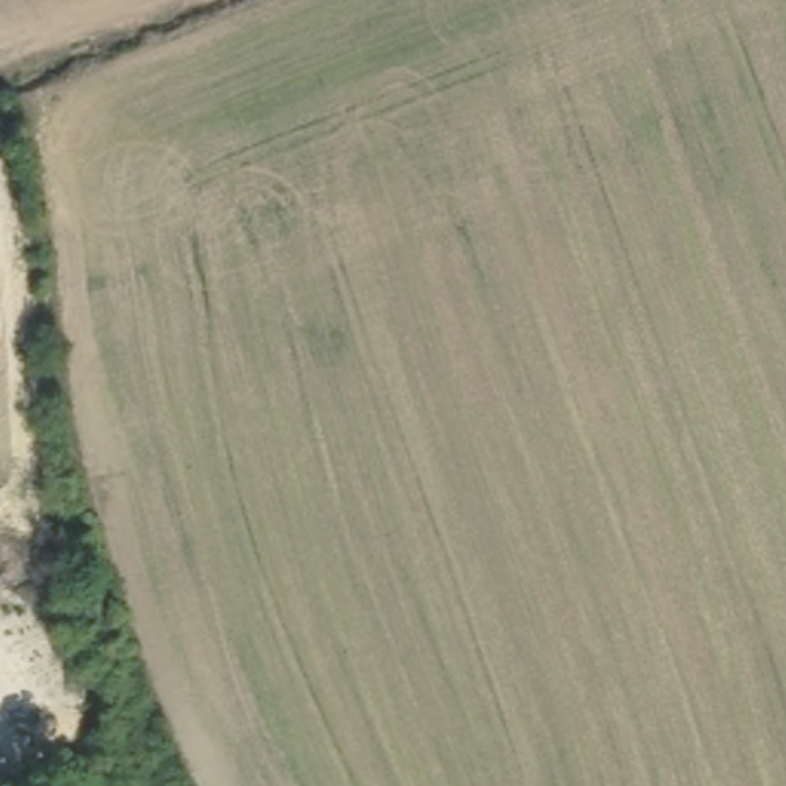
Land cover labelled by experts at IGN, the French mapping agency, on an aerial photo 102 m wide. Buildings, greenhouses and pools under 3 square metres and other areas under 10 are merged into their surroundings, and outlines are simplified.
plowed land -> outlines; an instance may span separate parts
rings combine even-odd
[[[104,34],[132,31],[138,25],[166,18],[172,12],[209,0],[0,0],[0,77],[18,58],[28,58],[34,52],[64,49],[74,40],[101,40]]]

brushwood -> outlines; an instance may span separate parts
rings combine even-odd
[[[18,58],[0,77],[0,163],[6,172],[12,209],[21,224],[15,246],[21,249],[28,267],[25,307],[49,304],[58,313],[55,249],[49,206],[43,193],[43,163],[34,141],[34,123],[28,123],[21,107],[21,95],[64,80],[71,71],[107,64],[126,52],[141,49],[154,37],[169,37],[193,21],[212,18],[249,0],[209,0],[172,12],[166,18],[138,25],[132,31],[104,34],[101,40],[74,40],[64,49],[34,52],[28,58]]]

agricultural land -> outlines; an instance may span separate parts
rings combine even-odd
[[[43,163],[43,193],[49,206],[55,249],[58,313],[61,332],[71,341],[68,393],[74,405],[83,467],[89,476],[89,500],[104,528],[104,553],[123,577],[123,596],[132,611],[132,629],[141,642],[141,657],[150,685],[197,786],[786,786],[786,0],[249,0],[212,18],[193,21],[169,37],[154,37],[141,49],[126,52],[107,64],[71,71],[64,80],[21,95],[21,107],[28,123],[34,123],[34,141]]]

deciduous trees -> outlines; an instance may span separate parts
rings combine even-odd
[[[31,525],[28,534],[28,562],[18,580],[18,593],[34,596],[34,617],[46,629],[52,654],[64,669],[64,688],[83,697],[83,712],[74,737],[52,740],[49,749],[43,749],[31,768],[18,765],[15,771],[0,777],[0,786],[197,786],[150,685],[141,657],[141,642],[132,629],[132,611],[123,596],[123,577],[104,553],[104,528],[89,500],[89,476],[83,467],[74,405],[68,393],[71,341],[61,332],[58,313],[49,304],[25,307],[15,329],[15,353],[21,359],[25,384],[25,399],[18,399],[18,411],[34,442],[31,479],[40,500],[40,516]]]

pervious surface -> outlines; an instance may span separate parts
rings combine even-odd
[[[21,359],[15,353],[15,329],[25,307],[28,267],[21,249],[15,246],[21,224],[12,209],[6,172],[0,163],[0,488],[9,497],[21,497],[21,507],[28,510],[25,519],[31,525],[40,516],[40,500],[31,479],[34,442],[18,411],[18,399],[25,399],[25,384]]]
[[[34,617],[34,596],[18,593],[18,580],[28,562],[28,534],[0,525],[0,777],[15,771],[18,765],[31,768],[43,749],[49,749],[52,740],[74,737],[83,712],[83,697],[64,688],[64,669],[52,654],[46,629]]]

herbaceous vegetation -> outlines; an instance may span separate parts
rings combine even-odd
[[[28,510],[21,507],[21,497],[9,497],[0,488],[0,525],[28,534],[31,525],[25,519]]]

